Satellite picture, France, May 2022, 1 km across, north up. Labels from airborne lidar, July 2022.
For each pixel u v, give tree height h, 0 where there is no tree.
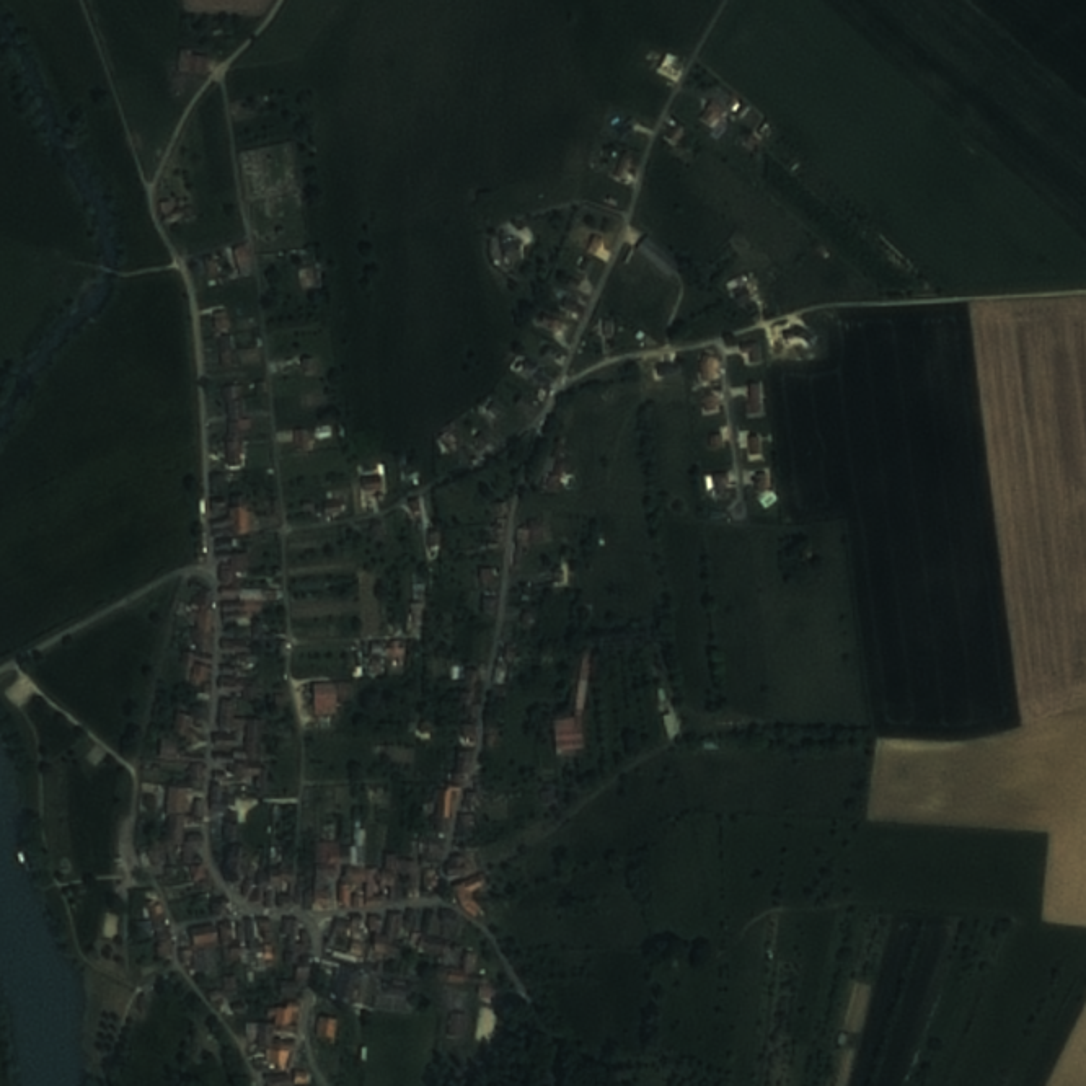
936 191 0
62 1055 0
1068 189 0
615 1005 0
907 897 0
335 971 0
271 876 0
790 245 0
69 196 0
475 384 0
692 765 0
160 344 0
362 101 0
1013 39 0
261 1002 7
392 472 0
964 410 0
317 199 18
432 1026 0
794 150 6
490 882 12
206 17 8
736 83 0
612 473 0
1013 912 0
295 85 0
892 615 0
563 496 0
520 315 12
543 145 0
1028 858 0
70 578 0
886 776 0
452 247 0
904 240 0
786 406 0
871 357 0
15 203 0
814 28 0
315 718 0
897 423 0
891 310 0
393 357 0
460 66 0
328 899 0
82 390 0
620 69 0
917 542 0
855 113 0
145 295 0
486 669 0
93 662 0
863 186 0
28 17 0
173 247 0
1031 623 0
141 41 0
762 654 0
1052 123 0
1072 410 0
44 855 17
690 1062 8
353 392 0
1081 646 0
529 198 0
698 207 0
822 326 0
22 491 0
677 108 0
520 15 0
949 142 0
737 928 0
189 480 11
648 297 0
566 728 0
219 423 0
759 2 0
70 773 0
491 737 0
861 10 0
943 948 0
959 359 0
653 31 0
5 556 0
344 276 0
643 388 0
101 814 0
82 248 0
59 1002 0
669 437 0
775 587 0
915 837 0
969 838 0
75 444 0
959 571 0
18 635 0
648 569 0
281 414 0
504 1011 23
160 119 0
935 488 0
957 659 0
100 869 0
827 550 0
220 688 0
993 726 0
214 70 0
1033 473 0
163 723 7
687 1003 0
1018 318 0
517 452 15
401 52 0
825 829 0
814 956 0
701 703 0
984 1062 0
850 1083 0
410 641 6
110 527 0
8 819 0
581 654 13
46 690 0
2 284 0
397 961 8
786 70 0
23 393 18
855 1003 0
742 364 0
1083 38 0
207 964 0
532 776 12
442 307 0
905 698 0
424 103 0
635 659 12
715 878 0
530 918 0
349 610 0
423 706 10
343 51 0
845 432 0
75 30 0
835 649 0
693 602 0
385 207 0
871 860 0
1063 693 0
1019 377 0
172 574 0
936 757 0
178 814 0
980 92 0
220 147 0
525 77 0
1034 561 0
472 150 0
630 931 0
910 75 0
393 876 0
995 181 0
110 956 10
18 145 0
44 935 0
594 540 6
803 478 0
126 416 0
